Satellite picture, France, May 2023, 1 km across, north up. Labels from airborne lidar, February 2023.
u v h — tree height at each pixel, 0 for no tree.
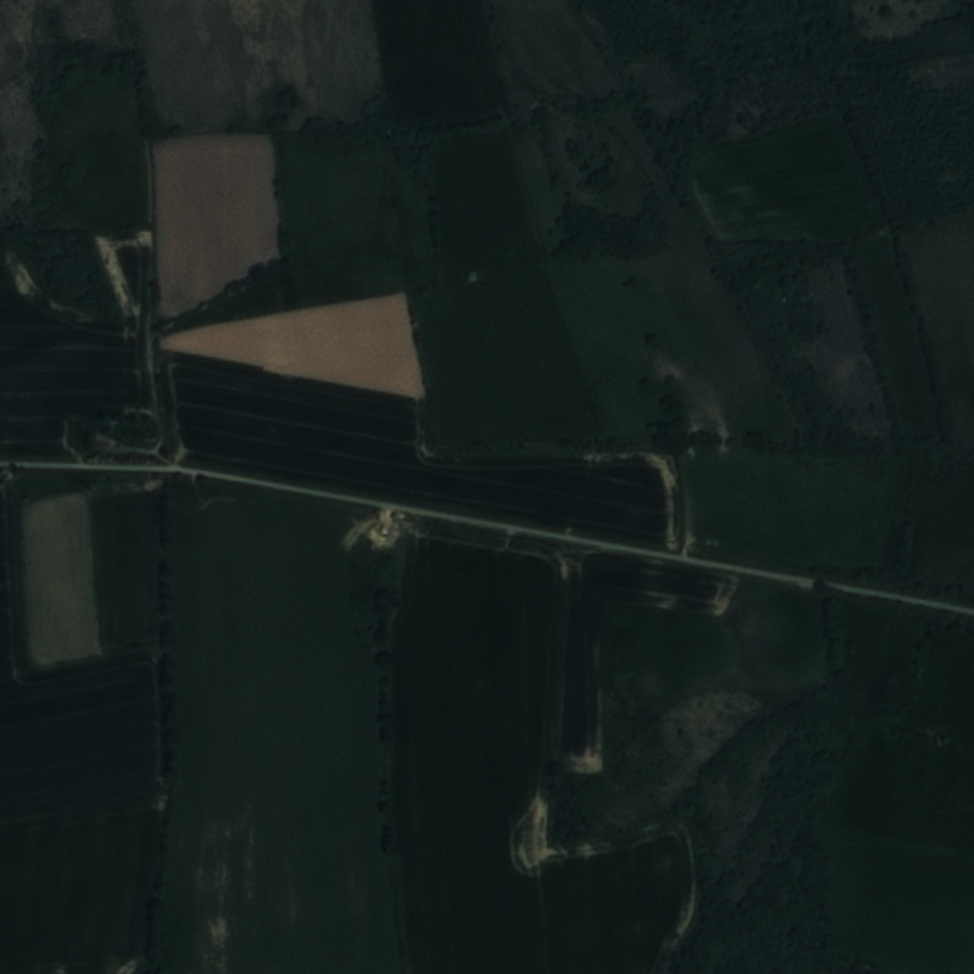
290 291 0
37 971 0
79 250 7
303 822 0
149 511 0
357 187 0
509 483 0
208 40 0
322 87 0
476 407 0
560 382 0
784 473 0
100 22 0
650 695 0
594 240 9
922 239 0
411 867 0
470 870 0
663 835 0
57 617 0
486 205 0
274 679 0
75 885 0
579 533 0
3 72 0
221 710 0
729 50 15
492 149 0
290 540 0
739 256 7
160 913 17
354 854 0
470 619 0
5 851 0
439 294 0
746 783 7
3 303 0
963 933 0
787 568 0
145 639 0
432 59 0
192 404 0
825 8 11
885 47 8
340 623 0
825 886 12
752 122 16
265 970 0
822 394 7
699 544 0
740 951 7
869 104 15
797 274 6
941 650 0
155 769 0
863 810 0
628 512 0
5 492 0
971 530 0
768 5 9
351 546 0
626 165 0
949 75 0
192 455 0
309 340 0
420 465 0
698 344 0
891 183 15
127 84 0
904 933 0
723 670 0
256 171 0
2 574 0
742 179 0
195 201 0
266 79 0
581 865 0
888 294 0
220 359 0
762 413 0
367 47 0
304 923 0
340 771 0
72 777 0
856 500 0
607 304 0
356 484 0
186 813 0
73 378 0
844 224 0
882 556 0
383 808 15
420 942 0
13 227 6
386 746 13
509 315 0
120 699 0
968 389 0
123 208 0
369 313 0
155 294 8
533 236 0
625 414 0
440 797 0
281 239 13
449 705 0
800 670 0
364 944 0
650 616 0
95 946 0
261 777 0
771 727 6
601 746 0
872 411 7
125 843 0
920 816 0
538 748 0
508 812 0
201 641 0
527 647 0
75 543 0
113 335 0
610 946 0
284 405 0
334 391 0
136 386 0
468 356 0
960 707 0
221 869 0
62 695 0
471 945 0
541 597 0
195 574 0
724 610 0
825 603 10
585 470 0
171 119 0
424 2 0
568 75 0
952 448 7
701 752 0
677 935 0
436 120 0
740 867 6
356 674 0
